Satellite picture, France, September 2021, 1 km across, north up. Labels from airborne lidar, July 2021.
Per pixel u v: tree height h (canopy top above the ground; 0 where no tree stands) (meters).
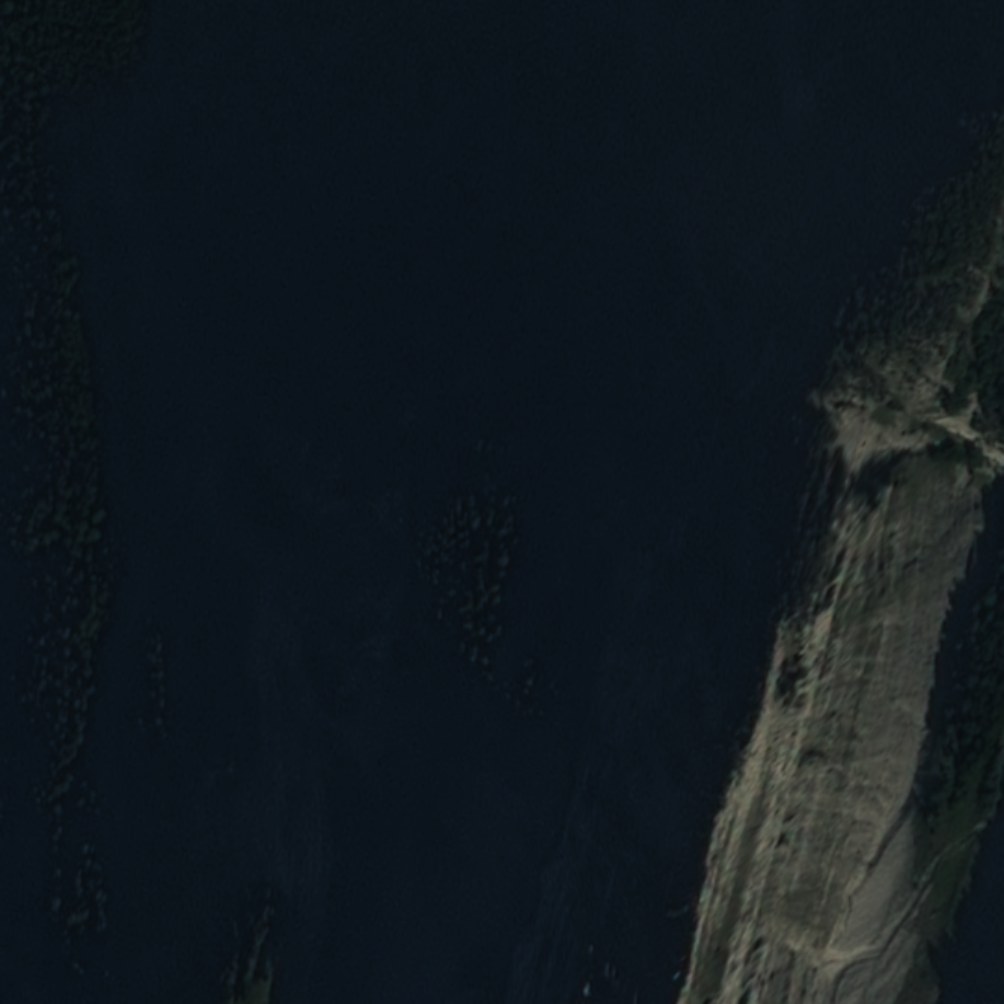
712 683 0
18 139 29
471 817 0
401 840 0
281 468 0
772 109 13
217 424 0
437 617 29
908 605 0
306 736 8
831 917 0
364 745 0
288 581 0
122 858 0
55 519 33
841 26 10
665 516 0
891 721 0
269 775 0
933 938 0
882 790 0
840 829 0
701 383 14
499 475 25
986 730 19
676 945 0
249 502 13
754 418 14
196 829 0
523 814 0
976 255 17
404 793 0
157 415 12
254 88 21
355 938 0
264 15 40
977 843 0
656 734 7
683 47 20
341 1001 0
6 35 22
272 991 0
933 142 27
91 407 25
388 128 35
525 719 16
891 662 0
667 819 0
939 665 0
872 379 10
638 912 0
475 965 0
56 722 34
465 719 14
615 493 0
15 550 23
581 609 12
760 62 14
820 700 0
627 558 0
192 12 31
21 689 26
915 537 0
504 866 0
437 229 41
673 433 11
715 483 12
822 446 11
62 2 18
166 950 0
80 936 10
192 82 22
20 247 28
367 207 35
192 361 0
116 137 12
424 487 15
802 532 9
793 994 0
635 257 7
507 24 28
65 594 32
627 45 7
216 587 7
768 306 11
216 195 31
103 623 17
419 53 34
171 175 22
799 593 8
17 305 26
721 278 11
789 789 0
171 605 10
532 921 0
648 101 10
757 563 12
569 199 20
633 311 17
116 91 19
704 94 9
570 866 0
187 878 0
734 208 12
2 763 29
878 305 22
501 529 27
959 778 8
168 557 16
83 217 28
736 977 0
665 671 9
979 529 0
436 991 0
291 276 29
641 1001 0
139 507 11
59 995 10
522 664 34
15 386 30
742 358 0
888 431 0
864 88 20
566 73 39
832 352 12
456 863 0
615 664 0
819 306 14
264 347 23
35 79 25
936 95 21
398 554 19
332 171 37
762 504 13
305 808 0
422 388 15
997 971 0
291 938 0
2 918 0
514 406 24
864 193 8
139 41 16
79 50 19
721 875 0
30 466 32
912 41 17
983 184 19
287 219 35
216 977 12
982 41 17
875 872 0
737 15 20
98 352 24
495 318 26
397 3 29
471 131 33
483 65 33
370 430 11
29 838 0
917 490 0
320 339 25
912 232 16
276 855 0
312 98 36
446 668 11
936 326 9
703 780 0
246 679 33
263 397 14
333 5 37
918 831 0
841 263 9
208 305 11
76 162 19
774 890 0
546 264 22
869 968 0
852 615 0
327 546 0
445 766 0
